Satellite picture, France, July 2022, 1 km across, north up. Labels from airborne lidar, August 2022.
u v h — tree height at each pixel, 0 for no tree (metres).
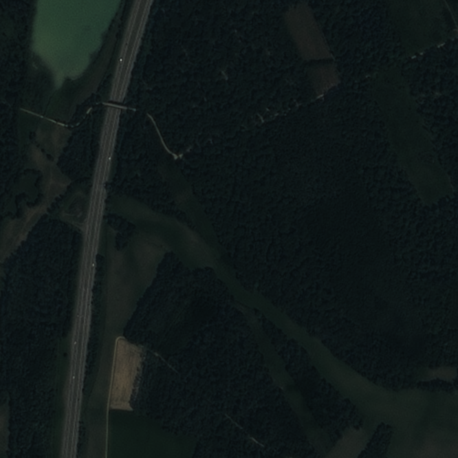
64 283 16
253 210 21
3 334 18
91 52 0
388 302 17
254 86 15
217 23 26
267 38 16
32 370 18
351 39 23
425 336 17
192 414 23
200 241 0
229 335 20
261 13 23
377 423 0
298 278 22
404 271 21
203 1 21
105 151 0
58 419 0
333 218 16
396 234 17
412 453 0
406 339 16
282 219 21
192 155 19
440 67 19
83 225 0
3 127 7
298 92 15
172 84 25
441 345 7
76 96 0
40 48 0
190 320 8
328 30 23
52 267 21
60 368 0
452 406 0
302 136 16
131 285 0
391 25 15
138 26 0
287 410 25
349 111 22
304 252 23
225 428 23
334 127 15
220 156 28
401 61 23
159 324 22
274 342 16
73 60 0
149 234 0
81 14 0
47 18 0
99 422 0
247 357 23
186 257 0
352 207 16
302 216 21
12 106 21
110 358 0
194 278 19
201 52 18
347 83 18
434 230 11
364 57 19
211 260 0
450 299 12
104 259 11
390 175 21
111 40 0
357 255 16
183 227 0
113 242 0
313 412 12
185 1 30
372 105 17
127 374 0
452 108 20
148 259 0
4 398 10
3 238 0
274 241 23
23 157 7
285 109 15
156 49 14
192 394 17
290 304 22
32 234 17
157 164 14
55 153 0
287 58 20
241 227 26
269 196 21
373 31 22
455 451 0
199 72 22
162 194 21
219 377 15
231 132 25
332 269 18
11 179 17
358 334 26
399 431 0
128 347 0
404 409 0
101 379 0
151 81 25
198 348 17
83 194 0
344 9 18
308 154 15
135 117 15
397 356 26
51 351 13
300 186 15
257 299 0
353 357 26
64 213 0
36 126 0
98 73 0
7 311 28
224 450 23
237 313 24
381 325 17
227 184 22
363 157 20
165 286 21
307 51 0
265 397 27
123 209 0
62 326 11
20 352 20
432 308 20
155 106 21
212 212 22
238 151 23
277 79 23
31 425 8
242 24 15
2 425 0
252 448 11
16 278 33
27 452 16
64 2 0
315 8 23
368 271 15
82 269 0
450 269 19
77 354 0
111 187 19
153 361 25
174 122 20
